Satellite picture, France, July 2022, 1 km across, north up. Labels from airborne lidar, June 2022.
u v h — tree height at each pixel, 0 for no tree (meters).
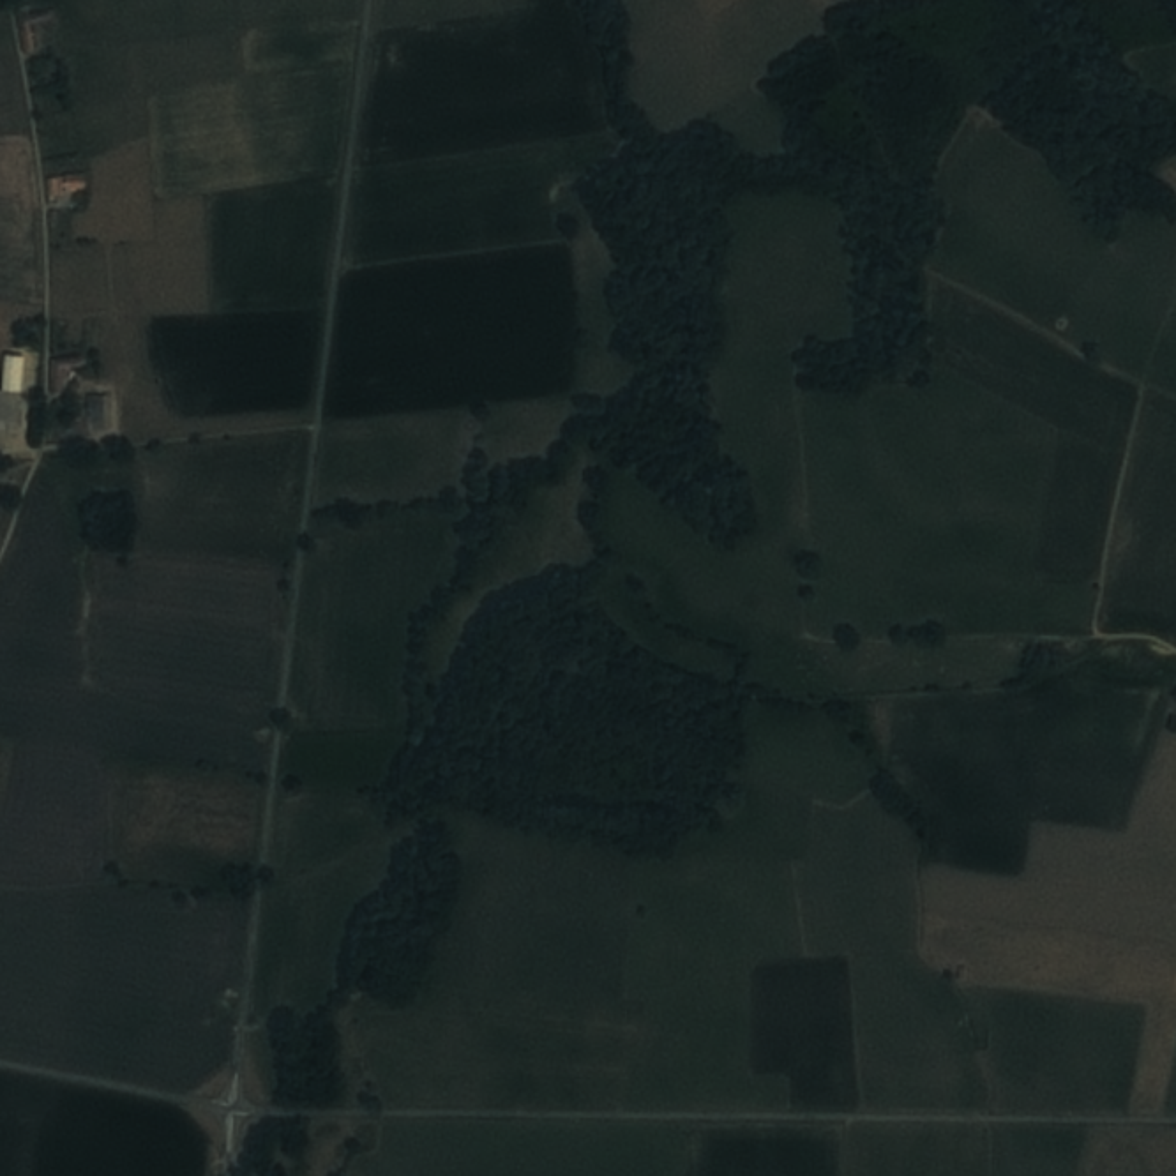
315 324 0
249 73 0
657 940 0
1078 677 0
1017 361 0
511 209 0
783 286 0
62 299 0
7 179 0
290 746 0
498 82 0
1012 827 0
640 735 18
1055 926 0
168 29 0
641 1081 0
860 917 0
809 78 6
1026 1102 0
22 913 0
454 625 0
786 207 0
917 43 0
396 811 10
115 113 0
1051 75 16
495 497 17
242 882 12
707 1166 0
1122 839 0
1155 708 0
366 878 0
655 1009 0
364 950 23
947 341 0
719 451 9
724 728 15
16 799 0
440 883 18
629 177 12
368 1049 0
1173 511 0
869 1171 0
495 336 0
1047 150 14
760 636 0
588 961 0
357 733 0
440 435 0
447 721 19
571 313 0
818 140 14
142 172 0
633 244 23
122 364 0
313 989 0
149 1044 0
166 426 0
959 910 0
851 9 14
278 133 0
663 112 0
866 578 0
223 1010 0
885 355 24
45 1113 0
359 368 0
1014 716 0
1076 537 0
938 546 0
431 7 0
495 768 23
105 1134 0
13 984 0
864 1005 0
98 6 0
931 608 0
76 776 0
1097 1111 0
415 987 20
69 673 0
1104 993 0
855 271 7
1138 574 0
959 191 0
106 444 12
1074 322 0
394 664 0
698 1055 0
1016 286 0
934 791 0
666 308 30
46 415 12
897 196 14
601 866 0
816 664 0
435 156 0
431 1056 0
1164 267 0
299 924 0
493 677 20
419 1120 0
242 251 0
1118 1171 0
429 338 0
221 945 0
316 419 0
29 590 0
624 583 0
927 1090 0
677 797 18
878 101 13
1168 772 0
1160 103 17
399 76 0
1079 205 17
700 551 0
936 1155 0
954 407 0
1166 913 0
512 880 0
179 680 0
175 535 0
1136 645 0
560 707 24
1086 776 0
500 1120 0
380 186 0
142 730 0
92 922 0
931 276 0
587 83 0
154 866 0
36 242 0
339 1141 0
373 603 0
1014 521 0
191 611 0
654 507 0
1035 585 0
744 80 0
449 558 0
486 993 0
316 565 0
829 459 0
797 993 0
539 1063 0
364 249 0
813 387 13
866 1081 0
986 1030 0
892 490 0
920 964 0
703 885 0
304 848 0
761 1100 0
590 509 15
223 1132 0
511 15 0
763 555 0
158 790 0
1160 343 0
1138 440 0
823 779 0
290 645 0
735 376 0
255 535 0
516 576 0
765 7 0
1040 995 0
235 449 0
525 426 0
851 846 0
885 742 0
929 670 0
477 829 0
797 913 0
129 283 0
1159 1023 0
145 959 0
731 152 21
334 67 0
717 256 19
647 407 15
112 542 13
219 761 0
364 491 0
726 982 0
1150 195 30
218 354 0
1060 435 0
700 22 0
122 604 0
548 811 22
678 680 21
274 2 0
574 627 20
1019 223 0
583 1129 0
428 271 0
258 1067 0
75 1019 0
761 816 0
